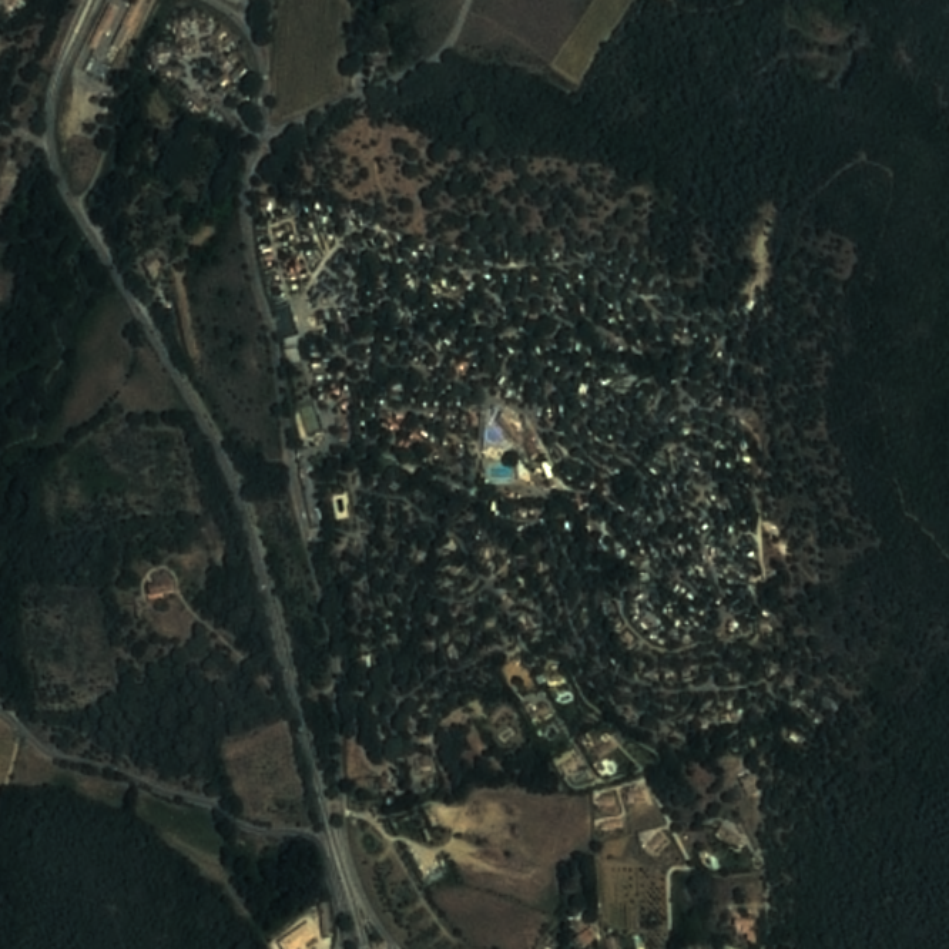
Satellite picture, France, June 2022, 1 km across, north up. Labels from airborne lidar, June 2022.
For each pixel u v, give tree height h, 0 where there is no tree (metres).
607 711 12
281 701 7
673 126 12
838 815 16
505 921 0
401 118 6
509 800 0
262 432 0
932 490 6
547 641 10
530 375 10
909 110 6
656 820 0
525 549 14
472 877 0
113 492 8
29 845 6
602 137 11
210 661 10
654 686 8
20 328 20
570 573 10
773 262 11
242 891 18
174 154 20
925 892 13
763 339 12
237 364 11
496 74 12
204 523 14
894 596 7
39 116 12
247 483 8
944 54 5
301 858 23
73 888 6
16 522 14
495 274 12
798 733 9
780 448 10
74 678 0
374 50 14
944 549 7
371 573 7
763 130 8
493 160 11
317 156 8
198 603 10
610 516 8
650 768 10
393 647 12
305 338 6
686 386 12
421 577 10
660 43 12
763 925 11
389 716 9
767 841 9
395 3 26
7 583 11
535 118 8
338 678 13
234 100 10
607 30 0
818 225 7
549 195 9
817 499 9
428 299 14
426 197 15
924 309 6
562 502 13
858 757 9
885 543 6
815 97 6
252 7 12
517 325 12
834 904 8
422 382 10
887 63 8
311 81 0
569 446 11
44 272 7
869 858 8
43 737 0
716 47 7
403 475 14
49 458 15
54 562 9
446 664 9
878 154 6
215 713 8
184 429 7
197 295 8
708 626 7
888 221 6
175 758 7
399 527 8
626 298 11
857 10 11
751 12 8
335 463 18
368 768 0
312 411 0
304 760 14
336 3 0
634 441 12
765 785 11
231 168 15
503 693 8
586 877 11
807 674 7
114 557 10
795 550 7
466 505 7
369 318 13
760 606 9
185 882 8
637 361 14
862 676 6
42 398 18
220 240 11
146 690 11
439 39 0
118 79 10
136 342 9
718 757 12
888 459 9
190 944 7
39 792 12
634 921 0
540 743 9
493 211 12
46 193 20
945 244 11
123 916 6
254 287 0
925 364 8
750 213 13
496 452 0
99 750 8
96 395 0
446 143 8
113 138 12
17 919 10
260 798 0
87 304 9
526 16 0
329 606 13
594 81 7
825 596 7
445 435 11
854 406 6
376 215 9
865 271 7
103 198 23
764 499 6
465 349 8
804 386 8
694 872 7
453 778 12
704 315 11
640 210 8
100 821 10
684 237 10
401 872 0
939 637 6
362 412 7
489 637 11
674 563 6
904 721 9
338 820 12
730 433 9
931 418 9
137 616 6
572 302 12
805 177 9
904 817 7
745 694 14
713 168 10
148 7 0
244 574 15
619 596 6
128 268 13
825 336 7
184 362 14
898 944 8
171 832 0
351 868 0
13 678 15
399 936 0
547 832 0
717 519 11
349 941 7
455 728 11
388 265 12
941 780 9
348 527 7
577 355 15
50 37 10
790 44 8
